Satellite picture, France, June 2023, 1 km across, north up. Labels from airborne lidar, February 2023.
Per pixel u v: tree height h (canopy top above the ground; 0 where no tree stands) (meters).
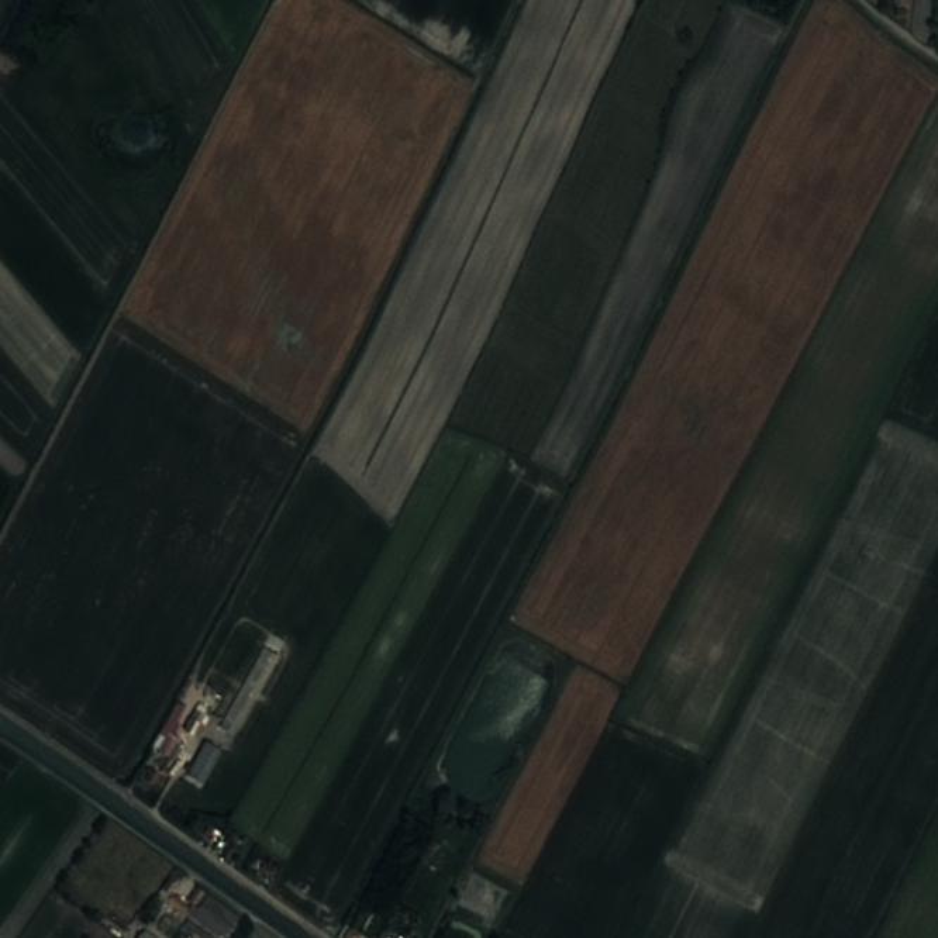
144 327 0
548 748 0
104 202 0
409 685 0
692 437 0
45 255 0
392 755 0
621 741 0
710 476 0
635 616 0
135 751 0
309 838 0
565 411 0
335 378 0
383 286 0
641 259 0
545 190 0
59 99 0
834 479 0
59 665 0
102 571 0
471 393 0
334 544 0
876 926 0
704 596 0
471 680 0
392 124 0
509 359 0
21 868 0
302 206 0
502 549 0
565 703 0
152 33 0
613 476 0
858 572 0
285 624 0
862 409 0
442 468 0
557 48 0
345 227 0
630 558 0
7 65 0
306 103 0
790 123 0
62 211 0
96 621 0
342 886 0
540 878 0
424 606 0
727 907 0
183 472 0
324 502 0
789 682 0
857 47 0
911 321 0
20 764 0
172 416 0
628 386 0
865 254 0
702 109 0
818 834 0
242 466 0
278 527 0
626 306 0
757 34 0
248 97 0
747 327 0
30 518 0
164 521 0
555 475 0
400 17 0
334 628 0
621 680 0
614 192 0
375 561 0
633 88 0
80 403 0
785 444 0
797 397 0
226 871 0
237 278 0
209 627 0
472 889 0
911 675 0
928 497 0
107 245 0
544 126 0
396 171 0
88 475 0
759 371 0
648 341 0
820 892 0
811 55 0
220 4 0
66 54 0
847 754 0
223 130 0
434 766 0
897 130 0
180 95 0
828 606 0
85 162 0
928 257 0
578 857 0
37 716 0
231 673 0
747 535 0
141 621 0
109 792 0
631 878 0
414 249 0
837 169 0
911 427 0
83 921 0
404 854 18
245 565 0
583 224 0
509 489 0
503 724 0
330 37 0
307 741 0
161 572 0
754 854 0
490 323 0
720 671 0
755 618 0
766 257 0
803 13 0
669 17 0
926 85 0
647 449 0
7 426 0
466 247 0
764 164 0
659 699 0
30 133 0
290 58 0
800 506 0
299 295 0
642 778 0
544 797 0
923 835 0
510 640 0
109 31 0
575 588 0
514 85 0
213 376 0
